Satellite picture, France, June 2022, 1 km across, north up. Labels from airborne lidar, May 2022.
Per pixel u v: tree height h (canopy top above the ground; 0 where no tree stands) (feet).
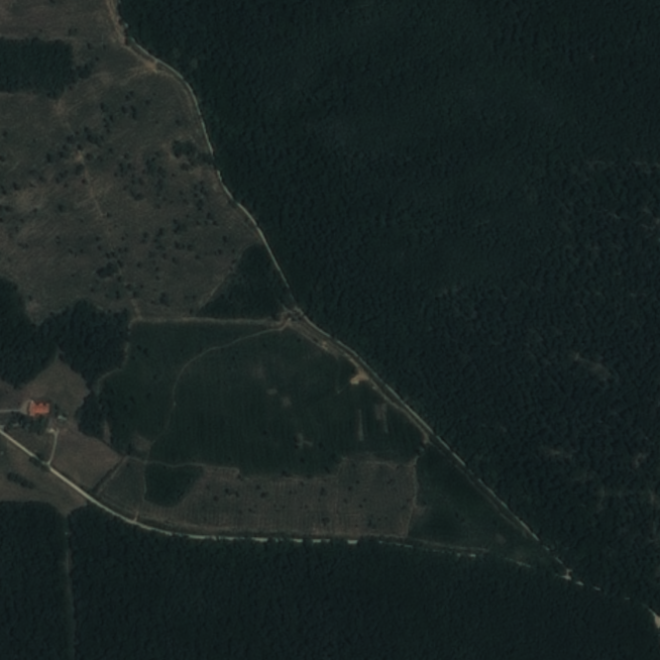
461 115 48
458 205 49
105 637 61
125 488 0
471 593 65
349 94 52
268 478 0
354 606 83
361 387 0
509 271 41
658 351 59
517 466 73
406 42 59
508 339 66
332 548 33
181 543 64
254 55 46
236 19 37
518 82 32
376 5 25
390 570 68
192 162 22
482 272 34
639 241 75
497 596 62
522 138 60
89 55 0
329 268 62
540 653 69
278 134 57
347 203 73
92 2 0
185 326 0
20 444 0
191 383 0
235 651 70
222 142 52
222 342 0
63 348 75
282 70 39
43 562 76
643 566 62
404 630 61
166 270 0
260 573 65
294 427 0
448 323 60
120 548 35
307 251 64
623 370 81
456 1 27
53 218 0
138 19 38
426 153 53
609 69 68
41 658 77
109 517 41
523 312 64
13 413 28
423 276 38
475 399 46
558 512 74
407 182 37
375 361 53
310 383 0
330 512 0
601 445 79
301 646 76
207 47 85
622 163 66
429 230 56
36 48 39
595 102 49
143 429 0
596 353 70
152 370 0
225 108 28
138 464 0
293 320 50
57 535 68
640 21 69
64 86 53
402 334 77
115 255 53
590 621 72
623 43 54
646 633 75
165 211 0
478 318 70
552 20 48
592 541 78
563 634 78
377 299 76
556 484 92
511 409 58
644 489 66
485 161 43
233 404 0
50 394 0
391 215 68
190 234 0
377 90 67
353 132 29
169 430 0
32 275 0
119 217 0
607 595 56
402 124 27
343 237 66
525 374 52
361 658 60
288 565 64
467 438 64
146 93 0
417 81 63
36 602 66
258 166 31
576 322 50
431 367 67
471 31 45
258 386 0
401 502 0
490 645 70
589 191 76
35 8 0
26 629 78
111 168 0
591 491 90
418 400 64
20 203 0
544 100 29
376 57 49
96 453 0
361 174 47
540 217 44
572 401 83
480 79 36
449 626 50
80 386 0
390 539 23
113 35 0
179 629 33
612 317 61
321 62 46
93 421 42
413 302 60
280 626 66
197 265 0
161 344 0
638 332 62
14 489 0
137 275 0
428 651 58
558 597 69
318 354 0
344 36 33
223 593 51
